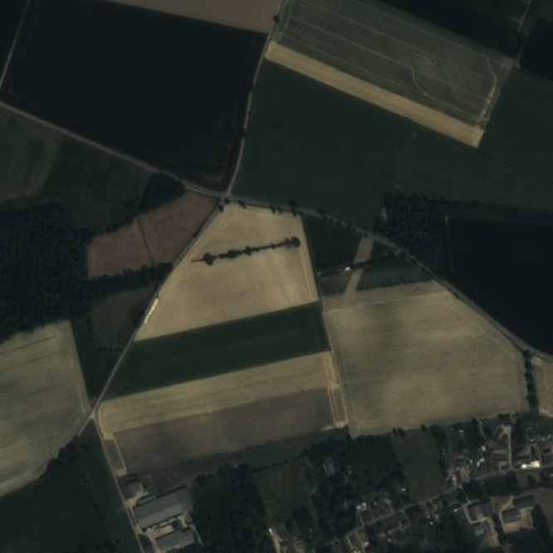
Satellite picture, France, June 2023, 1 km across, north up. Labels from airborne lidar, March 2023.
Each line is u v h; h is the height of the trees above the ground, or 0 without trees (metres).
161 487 0
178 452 0
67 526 0
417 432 0
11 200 0
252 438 0
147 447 0
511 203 0
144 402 0
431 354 0
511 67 0
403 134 0
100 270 0
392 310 0
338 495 11
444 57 0
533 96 0
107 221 0
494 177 0
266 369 0
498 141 0
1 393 0
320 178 0
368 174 0
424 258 11
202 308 0
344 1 0
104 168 0
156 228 0
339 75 0
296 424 0
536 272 0
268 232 0
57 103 0
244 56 0
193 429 0
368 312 0
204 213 0
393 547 12
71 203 0
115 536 0
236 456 0
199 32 0
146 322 0
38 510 0
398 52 0
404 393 0
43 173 0
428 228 19
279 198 0
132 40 0
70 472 0
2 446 0
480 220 0
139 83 0
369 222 0
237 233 0
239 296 0
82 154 0
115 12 0
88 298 21
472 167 0
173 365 0
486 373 0
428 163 0
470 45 0
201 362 0
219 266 0
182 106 0
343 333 0
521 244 0
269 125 0
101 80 0
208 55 0
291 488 0
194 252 0
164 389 0
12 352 0
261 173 0
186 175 0
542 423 0
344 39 0
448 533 0
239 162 0
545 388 0
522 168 0
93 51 0
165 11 0
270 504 0
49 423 0
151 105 0
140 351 0
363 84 0
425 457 0
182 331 0
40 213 19
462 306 0
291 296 0
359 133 0
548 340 0
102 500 0
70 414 0
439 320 0
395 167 0
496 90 0
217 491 0
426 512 0
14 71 0
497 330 0
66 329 0
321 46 0
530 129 0
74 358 0
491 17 0
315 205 0
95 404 0
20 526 0
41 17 0
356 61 0
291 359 0
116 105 0
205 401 0
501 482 0
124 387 0
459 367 0
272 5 0
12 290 7
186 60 0
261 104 0
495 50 0
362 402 0
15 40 0
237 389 0
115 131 0
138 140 0
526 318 0
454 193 0
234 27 0
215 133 0
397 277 0
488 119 0
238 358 0
